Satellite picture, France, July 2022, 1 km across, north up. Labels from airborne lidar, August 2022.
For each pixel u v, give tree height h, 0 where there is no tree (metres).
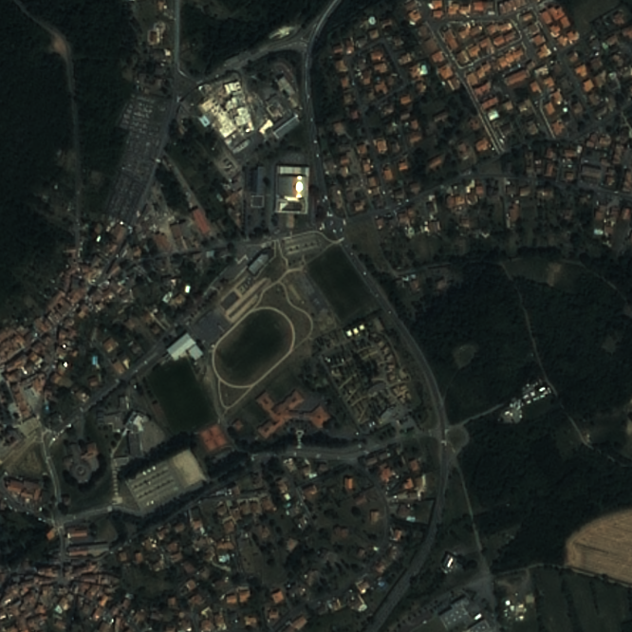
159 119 0
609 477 11
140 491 0
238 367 0
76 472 0
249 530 10
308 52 0
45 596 0
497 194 0
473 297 12
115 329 9
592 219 6
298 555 12
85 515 0
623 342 6
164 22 0
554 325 7
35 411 0
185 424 0
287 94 9
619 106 7
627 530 0
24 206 21
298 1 5
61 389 9
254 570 0
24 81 11
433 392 0
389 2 8
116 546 6
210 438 0
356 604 0
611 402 7
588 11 0
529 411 0
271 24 12
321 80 6
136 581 0
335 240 0
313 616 8
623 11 0
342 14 6
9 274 10
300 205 0
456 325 8
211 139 7
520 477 13
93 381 0
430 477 0
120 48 8
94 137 13
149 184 0
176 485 0
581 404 8
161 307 7
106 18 12
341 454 0
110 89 11
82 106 11
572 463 6
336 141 10
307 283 0
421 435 0
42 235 12
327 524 0
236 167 0
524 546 12
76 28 10
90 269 0
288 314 0
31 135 13
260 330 0
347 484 0
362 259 10
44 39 6
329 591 6
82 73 12
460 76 0
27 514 7
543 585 0
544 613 0
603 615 0
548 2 0
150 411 0
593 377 10
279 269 0
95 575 0
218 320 0
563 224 10
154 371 6
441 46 0
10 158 15
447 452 0
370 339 7
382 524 0
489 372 6
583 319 6
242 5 10
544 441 9
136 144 0
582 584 0
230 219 8
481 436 6
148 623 7
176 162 0
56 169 9
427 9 0
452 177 8
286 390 0
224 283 7
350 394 6
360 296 0
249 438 0
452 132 15
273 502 8
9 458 0
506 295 11
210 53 9
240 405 0
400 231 9
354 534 0
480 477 8
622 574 0
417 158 6
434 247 0
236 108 0
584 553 0
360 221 0
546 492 10
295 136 0
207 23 8
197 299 7
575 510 10
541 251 12
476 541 0
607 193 0
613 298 9
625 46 0
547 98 0
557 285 0
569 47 0
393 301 10
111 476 0
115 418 0
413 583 11
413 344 0
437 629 0
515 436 7
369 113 6
